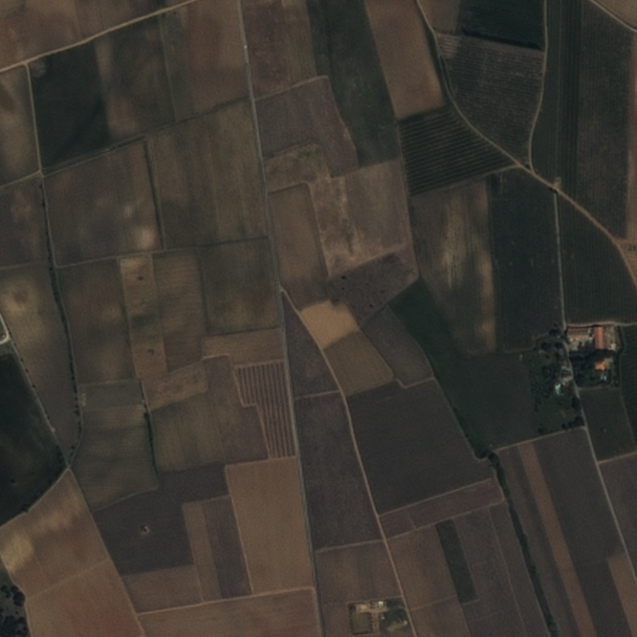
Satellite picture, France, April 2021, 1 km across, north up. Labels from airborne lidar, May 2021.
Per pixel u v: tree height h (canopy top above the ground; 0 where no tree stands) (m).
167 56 0
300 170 0
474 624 0
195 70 0
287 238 0
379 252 0
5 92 0
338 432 0
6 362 0
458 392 0
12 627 7
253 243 0
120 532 0
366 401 0
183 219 0
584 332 0
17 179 0
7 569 0
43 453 0
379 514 0
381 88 0
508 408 0
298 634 0
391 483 0
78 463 0
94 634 0
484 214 0
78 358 0
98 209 0
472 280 0
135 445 0
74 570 0
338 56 0
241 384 0
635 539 0
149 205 0
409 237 0
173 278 0
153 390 0
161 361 0
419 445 0
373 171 0
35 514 0
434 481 0
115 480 0
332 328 0
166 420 0
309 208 0
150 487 0
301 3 0
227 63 0
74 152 0
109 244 0
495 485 0
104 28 0
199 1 0
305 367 0
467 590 0
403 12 0
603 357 13
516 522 7
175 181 0
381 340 0
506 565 0
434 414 0
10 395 0
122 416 0
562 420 0
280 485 0
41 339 0
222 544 0
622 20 0
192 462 0
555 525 0
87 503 0
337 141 0
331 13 0
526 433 0
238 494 0
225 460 0
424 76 0
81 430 0
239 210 0
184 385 0
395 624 0
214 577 0
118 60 0
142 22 0
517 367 0
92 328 0
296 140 0
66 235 0
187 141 0
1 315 0
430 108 0
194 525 0
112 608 0
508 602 0
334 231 0
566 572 0
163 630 0
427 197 0
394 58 0
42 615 0
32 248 0
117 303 0
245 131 0
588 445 0
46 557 0
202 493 0
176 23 0
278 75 0
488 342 0
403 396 0
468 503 0
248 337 0
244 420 0
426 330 0
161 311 0
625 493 0
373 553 0
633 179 0
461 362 0
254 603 0
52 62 0
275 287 0
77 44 0
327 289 0
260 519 0
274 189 0
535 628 0
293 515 0
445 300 0
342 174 0
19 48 0
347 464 0
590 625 0
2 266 0
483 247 0
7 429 0
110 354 0
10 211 0
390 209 0
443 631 0
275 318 0
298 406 0
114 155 0
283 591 0
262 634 0
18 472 0
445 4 0
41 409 0
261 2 0
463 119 0
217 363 0
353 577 0
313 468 0
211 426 0
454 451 0
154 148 0
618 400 0
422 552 0
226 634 0
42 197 0
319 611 0
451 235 0
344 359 0
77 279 0
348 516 0
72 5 0
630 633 0
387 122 0
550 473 0
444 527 0
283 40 0
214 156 0
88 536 0
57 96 0
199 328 0
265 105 0
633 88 0
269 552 0
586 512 0
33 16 0
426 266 0
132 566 0
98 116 0
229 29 0
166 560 0
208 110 0
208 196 0
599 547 0
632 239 0
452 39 0
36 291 0
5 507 0
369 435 0
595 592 0
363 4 0
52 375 0
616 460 0
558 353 7
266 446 0
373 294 0
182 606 0
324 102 0
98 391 0
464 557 0
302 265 0
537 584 7
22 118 0
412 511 0
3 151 0
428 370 0
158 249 0
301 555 0
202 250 0
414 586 0
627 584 0
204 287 0
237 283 0
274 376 0
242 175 0
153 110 0
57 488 0
